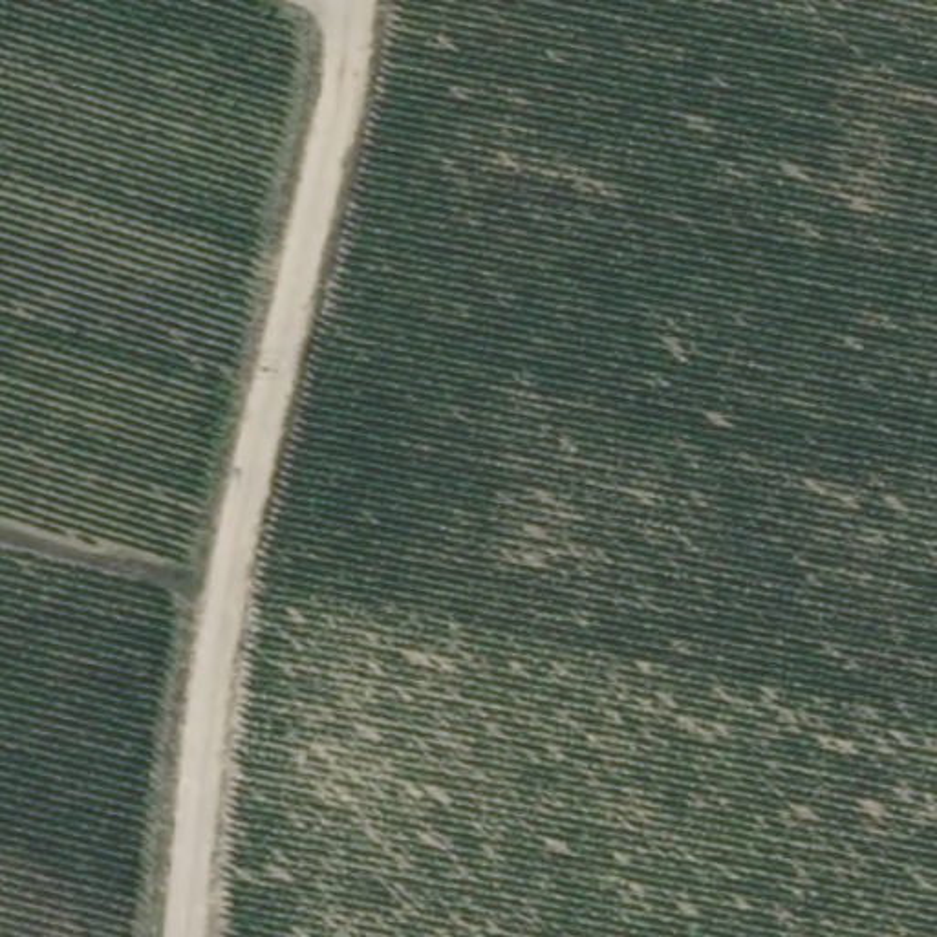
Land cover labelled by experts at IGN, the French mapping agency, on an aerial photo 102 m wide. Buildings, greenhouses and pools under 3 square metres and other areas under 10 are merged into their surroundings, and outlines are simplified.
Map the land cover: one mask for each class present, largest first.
<instances>
[{"label":"vineyard","instance_id":"1","mask_svg":"<svg viewBox=\"0 0 937 937\"><path fill-rule=\"evenodd\" d=\"M322 88V29L311 11L285 0H0V937H165L179 736L187 714V681L201 589L209 578L227 465L238 439L245 392L253 384V362L260 351L278 278V253L289 227L304 146ZM256 600L245 608L227 688L223 747L234 758L220 765V809L209 860L212 871L205 937H937V0H377L366 99L355 143L344 157V179L311 296V322L296 362V384L282 421L271 490L260 512V538L253 556Z\"/></svg>","mask_w":937,"mask_h":937},{"label":"pervious surface","instance_id":"2","mask_svg":"<svg viewBox=\"0 0 937 937\"><path fill-rule=\"evenodd\" d=\"M311 11L322 29V88L304 146L289 227L278 253V278L260 351L253 362V384L245 392L238 439L227 465L209 578L201 589L187 681V714L179 736L165 937H205L212 871L209 860L220 809V765L234 758L223 747L227 688L245 608L256 600L253 556L260 538V512L271 490L282 421L296 384V362L311 322V296L344 179V157L355 143L366 99L377 0H285Z\"/></svg>","mask_w":937,"mask_h":937}]
</instances>
